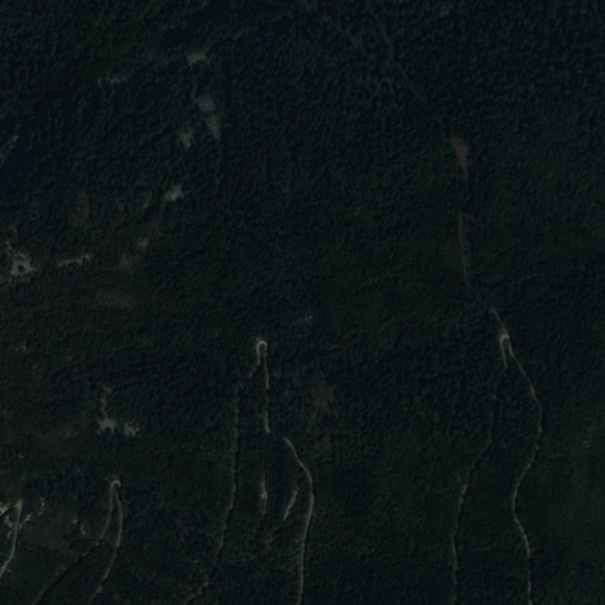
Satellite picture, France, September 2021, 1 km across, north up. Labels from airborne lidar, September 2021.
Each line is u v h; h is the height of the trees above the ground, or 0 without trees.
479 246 14
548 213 21
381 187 7
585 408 21
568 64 15
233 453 12
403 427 17
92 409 11
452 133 14
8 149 12
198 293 9
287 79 33
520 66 29
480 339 24
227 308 8
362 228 25
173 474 9
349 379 23
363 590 10
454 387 32
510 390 23
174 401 10
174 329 12
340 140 17
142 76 14
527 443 14
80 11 17
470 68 28
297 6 12
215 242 15
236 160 28
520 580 16
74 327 8
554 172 13
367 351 15
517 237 13
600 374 21
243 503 12
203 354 7
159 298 7
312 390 6
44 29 9
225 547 6
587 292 31
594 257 15
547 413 21
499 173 14
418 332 15
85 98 11
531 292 19
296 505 7
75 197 7
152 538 12
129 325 8
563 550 15
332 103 19
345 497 14
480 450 10
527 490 20
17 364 9
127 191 11
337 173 14
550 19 31
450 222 15
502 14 20
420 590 16
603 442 19
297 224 16
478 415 10
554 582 14
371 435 9
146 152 21
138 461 8
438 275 16
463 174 16
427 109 12
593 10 26
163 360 10
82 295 9
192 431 23
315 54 28
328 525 8
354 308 16
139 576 7
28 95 16
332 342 14
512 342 10
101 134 14
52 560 7
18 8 11
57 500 9
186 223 9
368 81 21
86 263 7
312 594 12
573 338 20
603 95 14
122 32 20
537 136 16
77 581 12
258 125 30
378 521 9
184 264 14
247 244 11
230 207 11
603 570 18
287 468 10
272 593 12
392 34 26
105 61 13
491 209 8
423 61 20
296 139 24
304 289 10
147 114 14
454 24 16
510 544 8
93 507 22
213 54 8
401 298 16
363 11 17
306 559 7
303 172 17
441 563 10
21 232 10
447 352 10
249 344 10
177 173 14
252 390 8
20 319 8
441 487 11
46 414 7
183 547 10
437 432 17
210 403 30
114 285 8
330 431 6
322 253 14
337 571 13
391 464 11
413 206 12
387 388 20
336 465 11
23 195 10
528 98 29
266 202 15
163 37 7
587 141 21
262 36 25
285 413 13
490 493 15
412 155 12
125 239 11
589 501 9
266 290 12
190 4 14
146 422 7
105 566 10
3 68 13
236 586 8
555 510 14
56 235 12
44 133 7
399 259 19
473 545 11
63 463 8
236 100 25
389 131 11
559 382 17
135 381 24
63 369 6
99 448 9
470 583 16
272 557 11
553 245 18
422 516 11
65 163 10
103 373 9
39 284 8
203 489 10
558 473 14
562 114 19
